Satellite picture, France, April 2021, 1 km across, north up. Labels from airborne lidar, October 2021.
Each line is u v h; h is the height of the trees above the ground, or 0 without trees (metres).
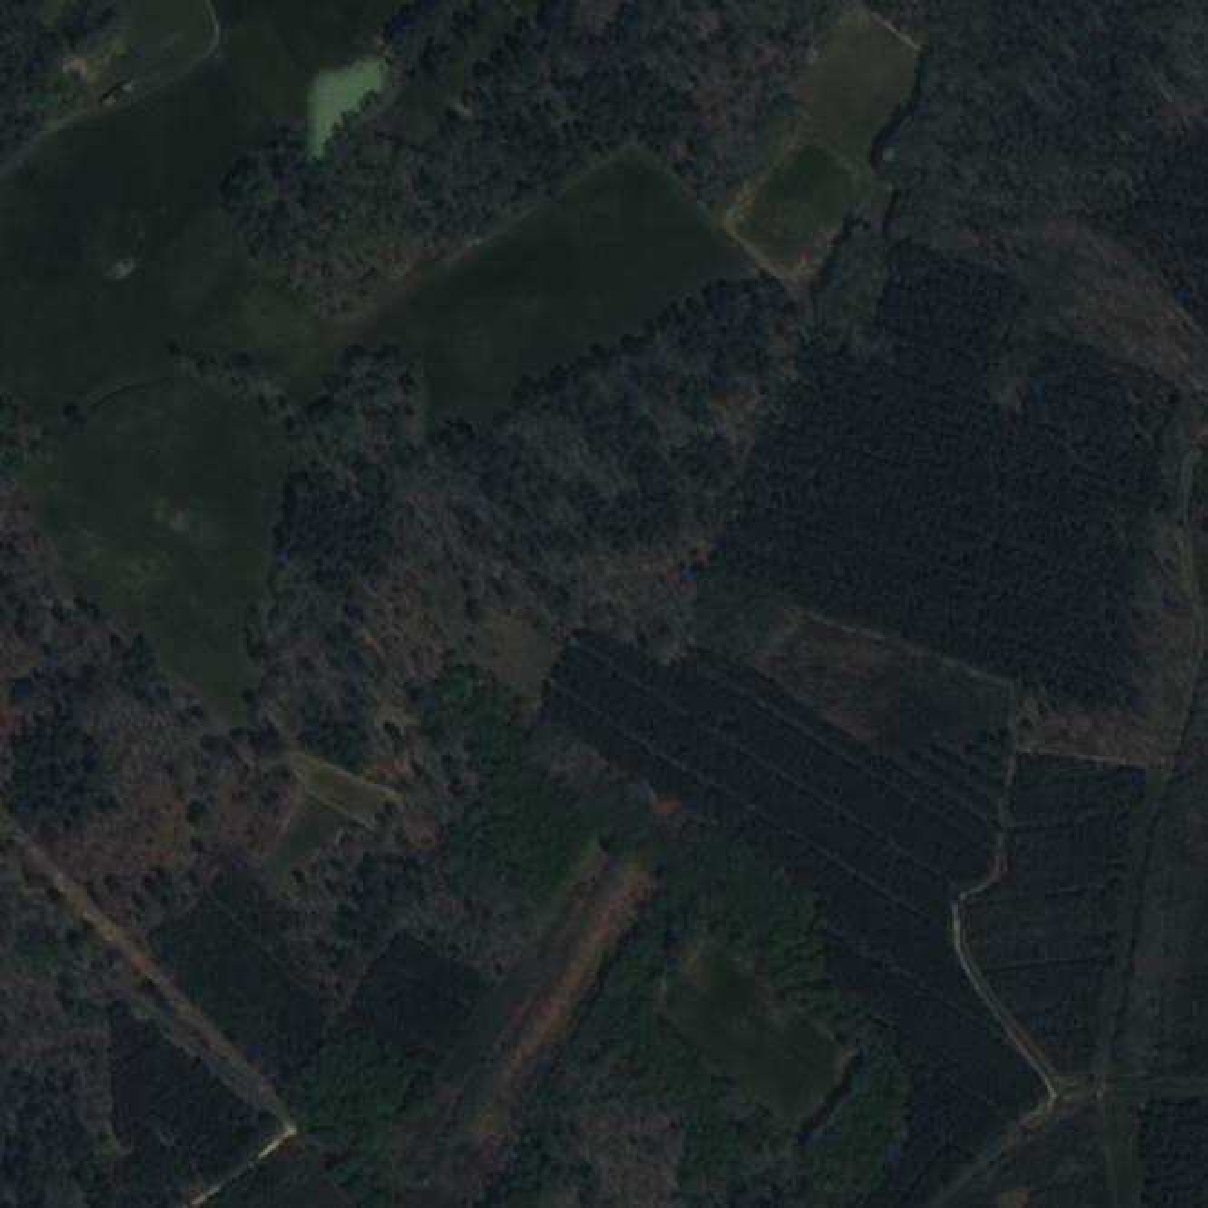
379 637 10
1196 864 9
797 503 19
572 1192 19
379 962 20
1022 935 10
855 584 18
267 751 21
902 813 15
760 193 0
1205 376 19
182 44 0
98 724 10
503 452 19
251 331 0
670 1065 20
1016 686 19
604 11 7
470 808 25
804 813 16
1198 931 8
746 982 0
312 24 0
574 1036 10
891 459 18
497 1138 10
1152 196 20
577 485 21
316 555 27
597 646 16
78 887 8
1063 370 20
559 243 0
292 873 0
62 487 0
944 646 18
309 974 19
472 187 23
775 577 22
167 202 0
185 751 10
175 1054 9
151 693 15
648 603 15
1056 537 18
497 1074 14
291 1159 7
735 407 20
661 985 20
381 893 23
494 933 11
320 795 0
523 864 15
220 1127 12
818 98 0
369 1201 20
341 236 24
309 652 14
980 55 20
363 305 12
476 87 0
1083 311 22
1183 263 20
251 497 0
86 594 0
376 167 21
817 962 14
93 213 0
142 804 8
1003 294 16
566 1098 21
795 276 0
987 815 16
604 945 8
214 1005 10
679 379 20
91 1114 18
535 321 0
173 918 24
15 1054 14
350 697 15
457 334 0
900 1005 16
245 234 23
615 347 0
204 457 0
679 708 17
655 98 27
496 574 12
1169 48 16
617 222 0
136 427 0
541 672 0
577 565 22
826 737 15
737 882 18
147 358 0
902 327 21
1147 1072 12
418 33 29
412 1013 12
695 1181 16
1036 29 13
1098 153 14
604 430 24
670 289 0
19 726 9
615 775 12
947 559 20
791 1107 0
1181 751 7
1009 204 20
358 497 20
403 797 15
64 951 23
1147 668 19
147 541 0
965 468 19
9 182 0
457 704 14
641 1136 20
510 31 0
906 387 20
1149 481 18
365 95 0
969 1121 16
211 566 0
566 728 18
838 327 25
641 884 11
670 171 11
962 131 18
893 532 21
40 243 0
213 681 0
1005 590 20
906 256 21
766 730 15
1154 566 21
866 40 0
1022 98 19
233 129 0
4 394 0
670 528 22
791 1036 0
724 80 8
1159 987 13
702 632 13
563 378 0
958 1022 13
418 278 0
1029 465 19
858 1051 14
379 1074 23
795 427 19
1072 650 20
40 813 22
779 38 9
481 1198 9
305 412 0
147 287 0
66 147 0
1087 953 9
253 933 8
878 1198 15
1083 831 15
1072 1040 11
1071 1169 0
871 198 0
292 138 14
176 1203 10
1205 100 16
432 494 16
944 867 16
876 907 16
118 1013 14
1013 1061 12
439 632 6
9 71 23
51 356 0
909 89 0
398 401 24
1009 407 7
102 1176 23
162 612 0
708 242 0
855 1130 19
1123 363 21
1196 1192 12
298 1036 13
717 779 15
